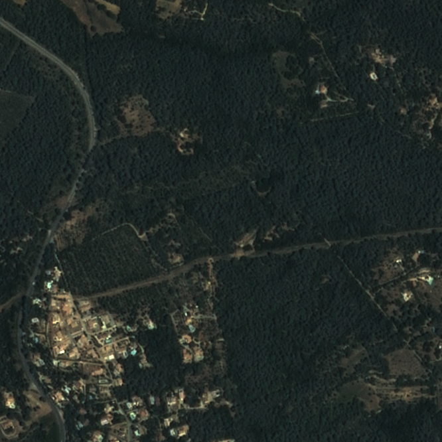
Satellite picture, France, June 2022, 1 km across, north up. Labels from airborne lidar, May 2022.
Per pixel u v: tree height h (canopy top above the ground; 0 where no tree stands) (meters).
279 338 17
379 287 8
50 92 10
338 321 21
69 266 7
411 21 16
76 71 8
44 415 0
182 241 16
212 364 11
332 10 7
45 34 16
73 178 23
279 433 17
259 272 20
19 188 14
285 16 8
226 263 17
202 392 8
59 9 19
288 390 17
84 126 9
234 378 11
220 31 17
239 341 18
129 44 14
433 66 7
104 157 7
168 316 6
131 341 12
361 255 22
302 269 17
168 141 13
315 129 18
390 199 16
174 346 16
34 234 22
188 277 11
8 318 12
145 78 20
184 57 19
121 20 19
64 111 17
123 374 7
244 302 12
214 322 10
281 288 19
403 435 16
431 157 18
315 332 19
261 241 13
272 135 15
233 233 15
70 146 12
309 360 12
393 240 20
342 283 17
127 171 20
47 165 18
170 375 6
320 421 14
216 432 14
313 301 24
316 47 6
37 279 10
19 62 12
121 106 6
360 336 14
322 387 15
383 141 21
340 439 7
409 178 15
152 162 22
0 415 12
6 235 22
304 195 21
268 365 18
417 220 15
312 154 17
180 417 7
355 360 0
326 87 7
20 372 11
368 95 19
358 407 17
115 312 9
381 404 7
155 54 18
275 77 11
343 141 21
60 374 13
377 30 18
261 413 20
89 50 18
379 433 18
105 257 10
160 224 8
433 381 7
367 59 6
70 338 0
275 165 16
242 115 17
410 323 16
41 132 19
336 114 11
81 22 5
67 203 0
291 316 20
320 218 20
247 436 19
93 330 0
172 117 18
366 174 17
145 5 8
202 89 17
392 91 11
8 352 10
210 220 13
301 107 7
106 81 17
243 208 15
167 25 8
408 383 12
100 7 14
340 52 20
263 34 17
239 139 16
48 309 7
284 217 15
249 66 17
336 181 21
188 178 16
